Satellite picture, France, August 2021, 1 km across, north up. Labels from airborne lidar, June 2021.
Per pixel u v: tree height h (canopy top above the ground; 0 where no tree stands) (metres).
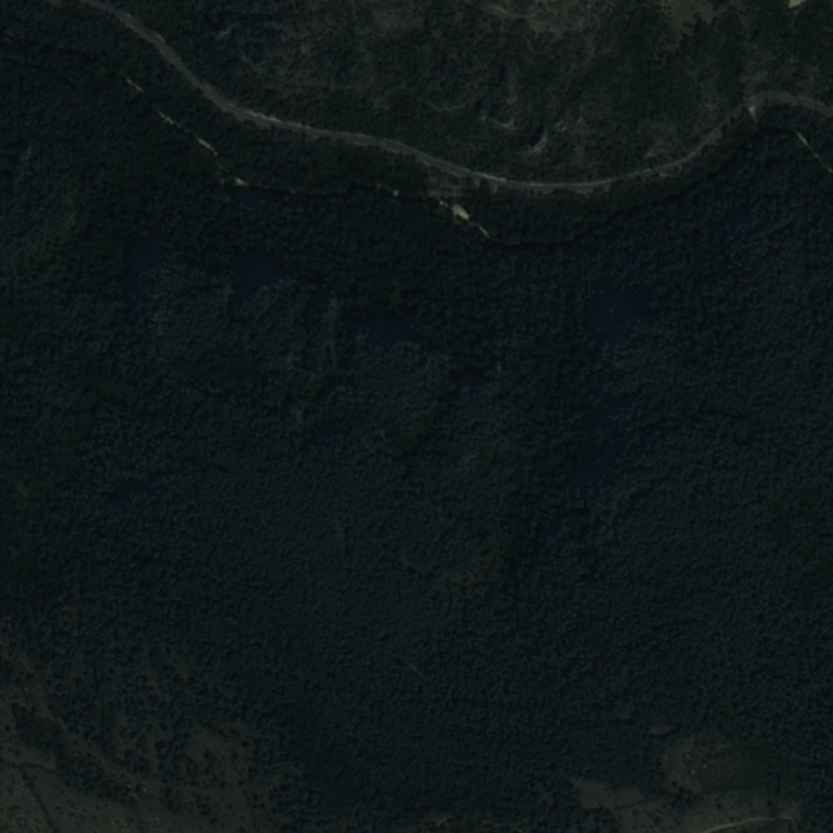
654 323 12
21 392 10
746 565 18
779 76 7
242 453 20
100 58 12
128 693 7
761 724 15
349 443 17
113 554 11
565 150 13
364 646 13
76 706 10
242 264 18
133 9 12
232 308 19
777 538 13
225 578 19
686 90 6
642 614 15
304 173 22
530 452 17
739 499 14
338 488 16
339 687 15
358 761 10
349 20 7
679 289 13
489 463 14
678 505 14
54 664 7
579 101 10
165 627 18
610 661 17
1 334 7
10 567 12
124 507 15
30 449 11
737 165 13
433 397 13
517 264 6
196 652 13
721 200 20
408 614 14
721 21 11
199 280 16
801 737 18
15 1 13
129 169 17
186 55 9
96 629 9
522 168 9
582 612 14
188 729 6
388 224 12
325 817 11
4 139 22
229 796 0
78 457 9
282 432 12
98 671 11
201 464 14
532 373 15
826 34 7
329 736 12
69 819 0
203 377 8
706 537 14
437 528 14
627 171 8
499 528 14
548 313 11
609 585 16
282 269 13
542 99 7
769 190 12
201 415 14
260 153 13
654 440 11
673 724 9
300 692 14
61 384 12
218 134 15
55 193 12
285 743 12
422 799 6
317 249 14
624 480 13
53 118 14
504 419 6
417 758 10
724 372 20
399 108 13
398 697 15
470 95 6
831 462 13
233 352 16
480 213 13
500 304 13
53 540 14
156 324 11
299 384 13
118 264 22
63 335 12
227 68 13
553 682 15
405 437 20
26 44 12
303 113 11
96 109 20
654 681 11
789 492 15
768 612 13
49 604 11
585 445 18
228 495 16
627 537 14
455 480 9
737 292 13
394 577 16
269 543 16
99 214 22
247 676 10
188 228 18
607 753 13
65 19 9
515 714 16
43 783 0
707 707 8
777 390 13
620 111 10
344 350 28
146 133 16
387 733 13
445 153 7
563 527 7
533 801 11
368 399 9
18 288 7
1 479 7
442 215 11
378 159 14
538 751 16
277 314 12
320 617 13
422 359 7
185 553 17
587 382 12
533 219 15
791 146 17
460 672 17
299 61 6
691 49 11
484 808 7
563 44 10
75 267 13
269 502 14
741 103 9
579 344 11
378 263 12
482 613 13
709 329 19
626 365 6
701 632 12
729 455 12
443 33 7
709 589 13
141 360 13
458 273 14
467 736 14
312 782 11
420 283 14
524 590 14
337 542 14
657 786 10
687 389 16
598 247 13
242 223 18
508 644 18
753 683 16
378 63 7
